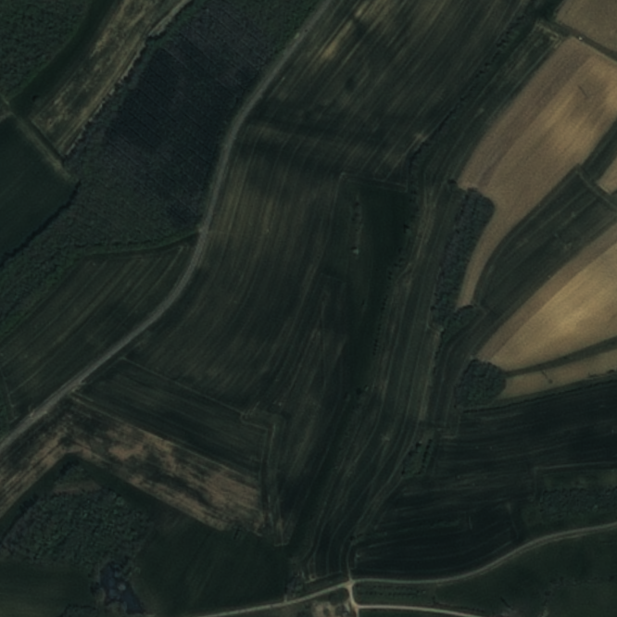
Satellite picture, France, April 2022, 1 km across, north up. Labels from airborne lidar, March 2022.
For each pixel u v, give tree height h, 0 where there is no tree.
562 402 0
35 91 0
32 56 18
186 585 0
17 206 0
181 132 13
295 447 0
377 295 0
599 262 0
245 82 18
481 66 0
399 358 0
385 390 0
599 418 0
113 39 0
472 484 0
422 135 0
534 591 0
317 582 0
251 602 0
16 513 0
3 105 0
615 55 0
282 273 0
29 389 0
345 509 0
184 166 15
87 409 0
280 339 0
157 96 16
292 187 0
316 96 0
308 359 0
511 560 0
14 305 14
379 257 0
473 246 13
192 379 0
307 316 0
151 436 0
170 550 0
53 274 19
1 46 17
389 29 0
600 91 0
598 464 0
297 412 0
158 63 18
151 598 0
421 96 0
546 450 0
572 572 0
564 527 0
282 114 0
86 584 0
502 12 0
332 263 0
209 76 15
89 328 0
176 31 13
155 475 0
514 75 0
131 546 14
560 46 0
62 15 18
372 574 0
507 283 0
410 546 0
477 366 11
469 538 0
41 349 0
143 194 14
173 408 0
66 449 0
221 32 13
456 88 0
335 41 0
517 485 0
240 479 0
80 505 6
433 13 0
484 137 0
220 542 0
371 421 0
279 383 0
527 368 0
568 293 0
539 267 0
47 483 0
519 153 0
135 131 16
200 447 0
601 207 0
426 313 0
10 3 16
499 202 0
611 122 0
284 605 0
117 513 9
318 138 0
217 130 18
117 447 0
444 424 0
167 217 14
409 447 0
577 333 0
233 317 0
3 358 0
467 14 0
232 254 0
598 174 0
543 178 0
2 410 14
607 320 0
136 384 0
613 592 0
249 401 0
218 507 0
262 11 13
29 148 0
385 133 0
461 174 0
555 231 0
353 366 0
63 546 8
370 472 0
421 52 0
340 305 0
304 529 0
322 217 0
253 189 0
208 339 0
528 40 0
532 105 0
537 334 0
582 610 0
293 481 0
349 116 0
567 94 0
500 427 0
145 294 0
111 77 0
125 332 0
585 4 0
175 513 0
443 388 0
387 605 0
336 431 0
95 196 17
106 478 0
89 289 0
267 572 0
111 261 0
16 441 0
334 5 0
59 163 0
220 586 0
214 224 0
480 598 0
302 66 0
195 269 0
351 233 0
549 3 0
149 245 13
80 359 0
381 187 0
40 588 0
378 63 0
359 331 0
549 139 0
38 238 15
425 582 0
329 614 12
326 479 0
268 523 0
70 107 0
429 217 0
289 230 0
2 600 0
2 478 0
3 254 0
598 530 0
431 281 0
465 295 0
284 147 0
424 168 0
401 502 0
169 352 0
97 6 0
